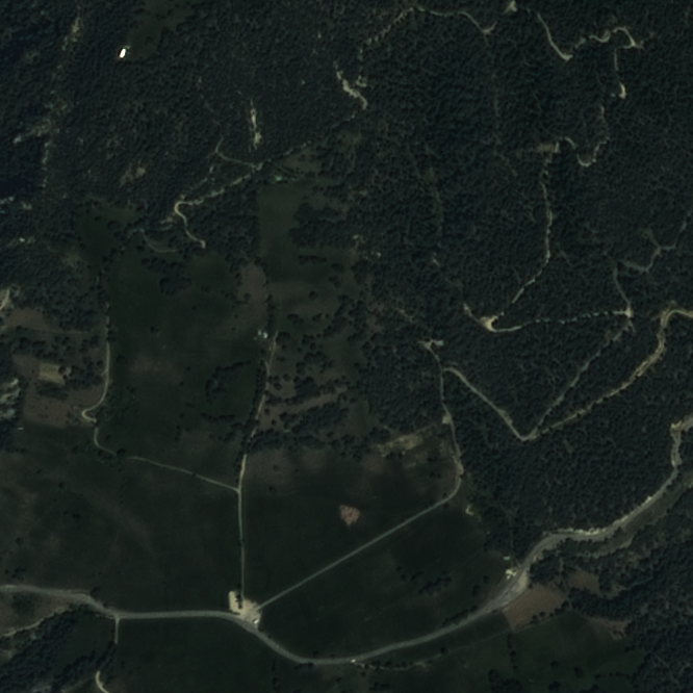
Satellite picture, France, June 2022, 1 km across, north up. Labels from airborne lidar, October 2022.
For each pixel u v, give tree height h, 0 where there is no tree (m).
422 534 0
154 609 0
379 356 9
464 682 0
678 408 14
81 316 13
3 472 0
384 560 0
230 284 0
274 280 0
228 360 0
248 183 8
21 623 0
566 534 0
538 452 13
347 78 6
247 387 0
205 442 0
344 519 0
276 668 10
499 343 13
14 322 0
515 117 22
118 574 0
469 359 8
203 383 0
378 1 8
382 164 11
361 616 0
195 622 0
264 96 7
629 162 13
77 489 0
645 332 12
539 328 18
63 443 0
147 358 0
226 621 0
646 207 10
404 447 0
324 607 0
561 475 12
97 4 7
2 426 9
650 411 15
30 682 8
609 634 0
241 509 0
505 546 15
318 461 0
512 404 12
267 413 8
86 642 0
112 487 0
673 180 17
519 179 11
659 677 10
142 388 0
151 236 7
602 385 15
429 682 0
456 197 8
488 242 18
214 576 0
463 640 0
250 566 0
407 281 12
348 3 11
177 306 0
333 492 0
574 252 19
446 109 18
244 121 6
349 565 0
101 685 0
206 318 0
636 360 7
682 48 17
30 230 7
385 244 7
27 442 0
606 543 9
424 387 7
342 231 17
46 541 0
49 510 0
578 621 0
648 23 13
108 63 7
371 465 0
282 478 0
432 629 0
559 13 17
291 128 7
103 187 7
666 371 11
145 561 0
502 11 17
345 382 6
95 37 7
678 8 18
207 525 0
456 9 17
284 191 0
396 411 13
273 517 0
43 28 9
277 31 13
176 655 0
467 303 8
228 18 11
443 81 22
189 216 8
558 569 6
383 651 0
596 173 15
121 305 0
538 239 17
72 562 0
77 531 0
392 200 9
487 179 11
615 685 0
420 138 12
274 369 0
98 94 10
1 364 8
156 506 0
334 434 7
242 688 0
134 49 0
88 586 0
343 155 11
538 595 0
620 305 7
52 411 0
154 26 0
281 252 0
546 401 13
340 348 0
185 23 7
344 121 8
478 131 20
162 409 0
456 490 0
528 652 0
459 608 0
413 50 8
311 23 6
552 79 23
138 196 9
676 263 16
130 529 0
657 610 16
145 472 0
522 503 15
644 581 17
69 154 9
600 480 9
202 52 8
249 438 10
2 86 9
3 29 8
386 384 9
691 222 18
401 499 0
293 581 0
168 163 10
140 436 0
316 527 0
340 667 0
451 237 19
